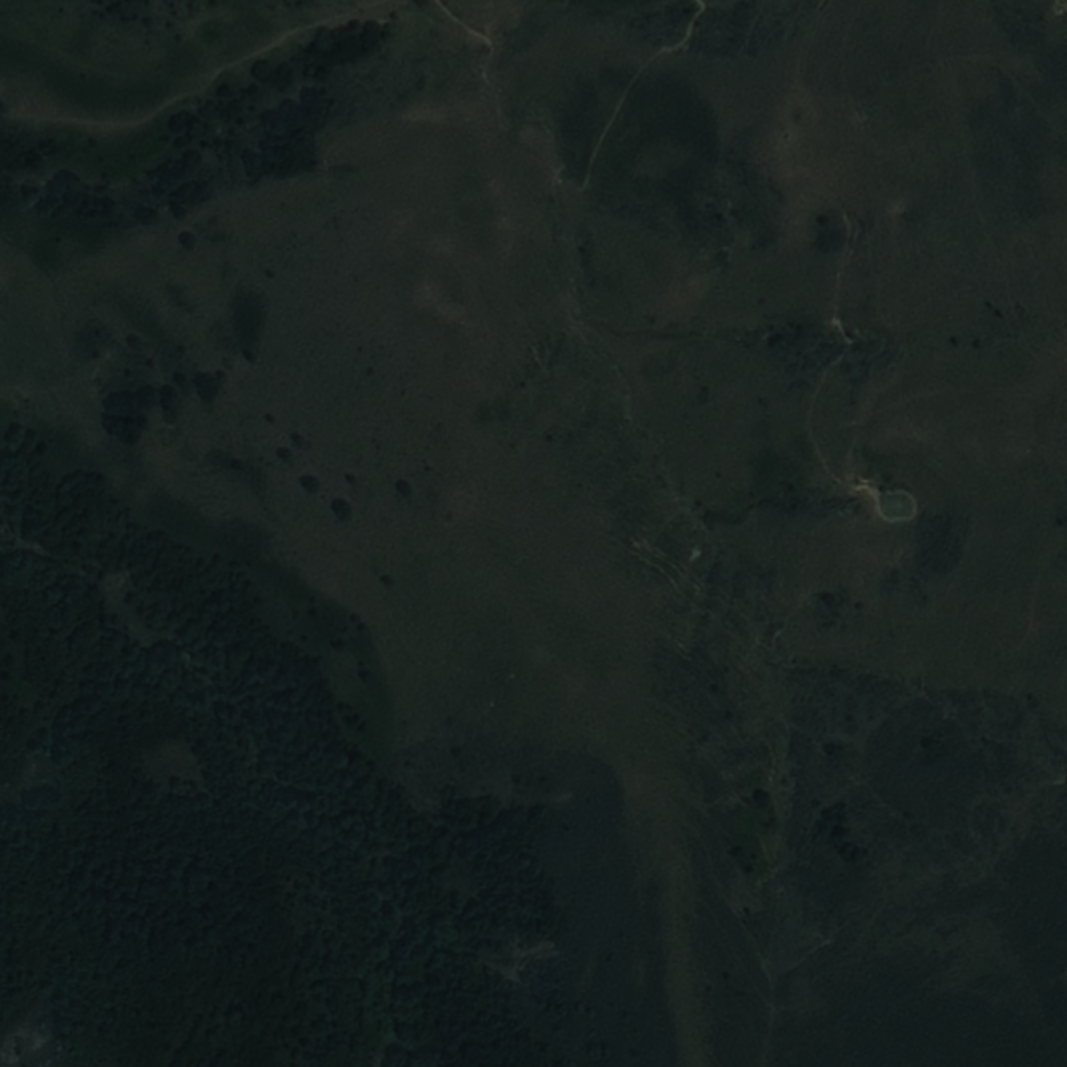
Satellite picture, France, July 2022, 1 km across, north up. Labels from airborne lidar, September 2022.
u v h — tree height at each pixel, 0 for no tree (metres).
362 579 0
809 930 0
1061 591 0
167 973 18
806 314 0
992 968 0
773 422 0
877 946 0
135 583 9
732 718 12
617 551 0
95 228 0
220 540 0
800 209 0
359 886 15
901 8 0
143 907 27
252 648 14
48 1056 0
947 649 0
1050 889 0
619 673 0
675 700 0
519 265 0
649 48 0
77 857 11
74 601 29
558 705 0
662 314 0
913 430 0
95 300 0
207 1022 11
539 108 0
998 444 0
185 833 26
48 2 0
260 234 0
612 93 0
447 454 0
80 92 0
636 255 0
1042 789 0
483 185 0
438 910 10
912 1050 0
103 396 0
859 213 0
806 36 0
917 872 0
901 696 0
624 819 0
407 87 0
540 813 11
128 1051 13
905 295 0
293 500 0
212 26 0
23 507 14
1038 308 0
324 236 0
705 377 0
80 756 19
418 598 0
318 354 0
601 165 0
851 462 0
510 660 0
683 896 0
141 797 12
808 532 0
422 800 0
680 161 0
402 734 0
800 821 0
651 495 0
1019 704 0
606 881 0
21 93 0
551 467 0
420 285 0
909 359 0
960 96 0
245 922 30
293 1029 11
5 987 14
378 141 0
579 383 0
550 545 0
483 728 0
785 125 0
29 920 14
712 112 0
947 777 0
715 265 0
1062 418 0
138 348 12
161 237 0
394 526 0
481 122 0
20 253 0
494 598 0
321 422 0
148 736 20
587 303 0
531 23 0
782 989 0
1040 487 0
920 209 0
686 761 0
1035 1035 0
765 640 0
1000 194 0
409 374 0
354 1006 13
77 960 13
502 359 0
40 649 20
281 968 24
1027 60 0
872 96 0
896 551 0
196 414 0
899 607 0
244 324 0
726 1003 0
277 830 20
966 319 0
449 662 0
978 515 0
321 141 0
